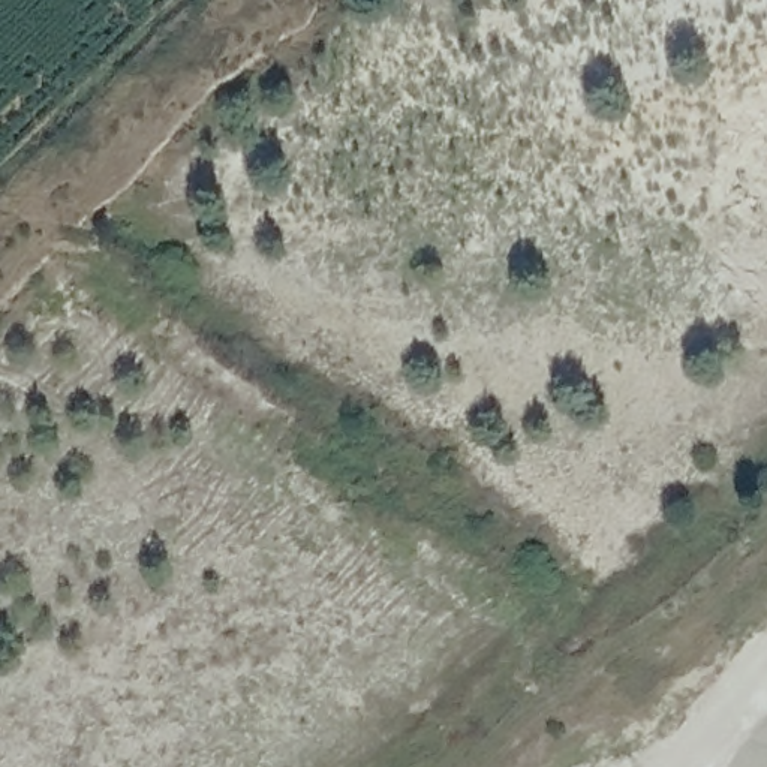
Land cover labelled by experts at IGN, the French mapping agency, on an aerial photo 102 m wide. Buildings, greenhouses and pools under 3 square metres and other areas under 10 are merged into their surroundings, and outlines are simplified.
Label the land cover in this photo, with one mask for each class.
<instances>
[{"label":"pervious surface","instance_id":"1","mask_svg":"<svg viewBox=\"0 0 767 767\"><path fill-rule=\"evenodd\" d=\"M530 27L536 30L545 24H560L566 18V9H572L578 0H524ZM497 33L500 39H512V45L521 54L548 57L551 99H539V114H545V126L557 138H572L581 147L596 150V171H605L608 165H614V159H623L626 171H620V180H632V192L638 201L656 198V204L665 213V222L686 225L698 234L701 246L713 255V276L692 273V282L683 288V294L701 300L704 321H695L686 306L668 303V309L656 306L650 315H644V321H614L605 327V333H587L575 321L578 306L566 297H560L563 315L521 318L518 324L491 336H482L479 324L464 315L458 327L446 333V321L437 318L431 294L428 288H419L401 294V276L363 270L351 276H330V261H321L318 273L312 276L306 258L312 252L327 249L330 243H348L354 237H375V225L369 219H351L342 225L318 222L321 213L348 210L354 204L342 189H333L324 198L315 189H303L306 201L312 204V213H291L279 195H273L270 189H255L252 177L246 171V159L240 150L219 147L213 162L222 189L225 216L234 237V255L213 252L198 234L186 243L189 252L201 261V282L207 294L228 303L231 309L258 315L267 324V336H279L285 342L288 363H306L315 372L327 375V381L345 384L357 395L360 389L378 395L384 404L401 410L413 425H440L449 431L452 443L458 446V461L467 464L473 476L482 482L500 488L509 503L521 506L524 512H536L551 527H557V548H566L572 557L581 560V566L593 569L602 581L614 569L632 563L626 539L632 533L647 530L662 515V488L671 482H728L734 476V464L749 449L752 422L767 416V0H629L626 6L614 9L611 21H602V12H587V39H572L554 48H548L545 42H527L512 9H479V39ZM704 45L710 75L701 84H677L671 78L668 57H689ZM617 75H623L626 81L629 108L623 120H599L587 111L584 90H596ZM737 339L743 342V348L725 360L722 381L716 386H701L683 372V354L698 357L701 351H713L719 342ZM413 342L431 345L437 357H458L461 381H443L437 392H413L401 372V357ZM584 372L593 375L605 392L608 416L599 428L578 425L575 419L560 413L557 401L548 395V375L563 378L572 386L581 381ZM497 407H503V422L509 425L518 452L509 464H500L488 446H479L473 440L470 431L482 413H491ZM698 440L716 446V461L710 470H701L692 461V443ZM318 9H309L300 24L279 33V42H315L312 27ZM431 36L416 39L410 21L401 24L384 18L372 21L369 39L354 36V48L360 51L357 81L369 84V78L381 72L384 81L395 84V105L378 117V126L384 129L398 123L407 108H416L440 111L443 120L470 132V117L461 108H452L449 93L428 87V78L434 60L446 63L449 81L473 78L485 72L473 60L461 54L455 33H440L437 24H428ZM264 63V51L255 48V54L246 57L240 66H231L216 75L210 69L198 72L204 78V87L198 90V99L189 102V108L168 123L165 138L174 141V135L213 99V93L222 84ZM54 288L63 294V315H30L24 327L33 336V345L6 348L0 354V548L18 554L27 563L33 596L51 608L45 638L36 644H24L15 665L0 677V767H297L300 749H327L339 740V722L354 719V707L363 704L366 692L395 698L401 686L416 689L422 665L434 656V650L443 647L449 638H458L452 614L416 608V590L395 587L378 557L357 551L342 536V506L336 503L324 479H315L294 461V449L312 440L315 431L294 422V407L270 401L258 384H249L237 372L225 369L213 354L201 348L198 336L189 333L180 321L168 318L123 333L117 324L99 321L93 315L96 300L87 288H72L66 282V273L57 276ZM120 354H132L144 366L147 378L138 395H129L114 378V360ZM30 389H39L45 395L51 407V422L57 425V443L39 446L30 440ZM75 389L111 398L114 410H120L117 434H111L108 428H72L66 401ZM171 428H189L186 443L174 449L144 452L138 461H129L117 446V440L150 437L153 431ZM69 449H81L93 461L90 479L81 482V497H63L54 482V473ZM159 560L171 563V578L159 593H153L147 578L141 575V566H156ZM578 767H767V629L746 638L743 650L728 662L716 686L704 692L698 701H692L686 722L674 728L668 737H662L656 746L632 752L626 758H608Z\"/></svg>","mask_w":767,"mask_h":767},{"label":"herbaceous vegetation","instance_id":"2","mask_svg":"<svg viewBox=\"0 0 767 767\"><path fill-rule=\"evenodd\" d=\"M309 9H318L312 27L315 42H279V33L300 24ZM351 0H207L204 27L222 30L228 36L225 51L213 57L210 69L216 75L231 66H240L246 57L255 54V48L264 51V63L267 69L276 63L285 66L294 87V108L288 114H273L270 105L255 111V123L264 132L261 144L246 159V171L252 177L258 168H267L285 156L291 174L279 195L291 213H312V204L306 201L303 189H315L324 198L333 189H342L354 204L348 210L321 213L318 222L342 225L351 219H369L375 225V237H354L348 243H330L327 249L312 252L306 258L312 276L318 273L321 261H330V276H351L363 270L401 276L407 264L437 267L443 294H431L437 318L446 321V333L458 327L464 315L479 324L482 336H491L518 324L521 318L563 315L560 297H566L578 306L575 321L587 333H605V327L614 321H644V315H650L656 306L668 309V303L686 306L695 321H704L701 300L683 294V288L692 282V273L713 276V255L701 246L698 234L686 225L665 222V213L656 204V198L638 201L632 192V180H620V171H626L623 159H614V165H608L605 171H596V150L581 147L572 138H557L545 126V114H539V99H551L548 57L521 54L512 45V39H500L497 33L479 39L482 57L473 60L485 72L473 78L449 81L446 63L434 60L428 78V87L449 93L452 108H461L470 117V132L443 120L440 111L416 108H407L398 123L384 129L378 126V117L395 105V84L384 81L381 72L369 78V84L357 81L360 51L354 48V36L369 39L372 21L369 15L348 12ZM530 273H548V291L536 303L518 300L515 288L509 285V276L524 279ZM455 9L449 0H398L384 18L401 24L410 21L416 39L431 36L428 24H437L440 33H455ZM629 0H578L572 9H566V18L560 24H545L536 30L530 27L524 0H518L512 3V9L527 42H545L548 48H554L572 39H587V12H602V21H611L614 9L626 6ZM204 87V78L198 72H186L168 96L153 93V87L144 84L141 75H123L111 87V93L93 105L90 138L99 144V153L75 150L63 156L54 147H48L12 183L0 189V354L6 348L33 345V336L24 327L30 315H63V294L54 288L57 276L66 273V282L72 288H87V264L99 246L93 216L99 210H105L108 219H126L120 231L123 237H135L144 243H186L198 234L186 186L192 192L222 189L213 162L198 159V144L201 129L216 132L225 126L222 102L213 99L174 135V141L165 138L168 123L189 108V102L198 99V90ZM363 410H375L389 446L410 443L419 452L431 455L434 446L452 443L449 431L440 425H413L401 410L384 404L378 395L360 389L357 395ZM758 473H767V416L752 422L749 449L734 464V476L728 482H671L662 488V500L692 503L689 521L671 524L662 515L647 530L632 533L626 539L632 563L614 569L602 581L593 569L581 566V560L572 557L566 548H557V527H551L536 512H524L521 506L509 503L500 488L482 482L476 494L467 497L470 509L494 512L503 521H515L512 533L518 542L545 539L554 548L560 566L572 575V590L581 602L575 626L560 638L548 635L542 623L521 620L524 608L515 599V587L512 566L509 572H488L476 557L452 551L443 542L434 548V533L419 524L398 521L395 515H378L372 527L369 521H357V515L348 506H342V536L357 551L378 557L395 587L416 590V608L452 614L458 638H449L443 647L434 650V656L422 665L416 689L401 686L395 698L366 692L363 704L354 707V719L339 722V740L327 749H300L297 767H578L608 758H626L632 752L656 746L662 737H668L674 728L686 722L692 701H698L704 692L716 686L728 662L743 650L746 638L767 629V488L761 491V512L755 524L746 521V503L740 500V494H752L758 488Z\"/></svg>","mask_w":767,"mask_h":767},{"label":"brushwood","instance_id":"3","mask_svg":"<svg viewBox=\"0 0 767 767\"><path fill-rule=\"evenodd\" d=\"M207 0H177L114 63V69H120L123 75H141L144 84L153 87V93L168 96L186 72H198L210 69L213 57L225 51L228 36L222 30L204 27ZM455 9V33L461 54L473 60L482 57L479 39V9H512V3L518 0H449ZM87 288L96 300L93 315L99 321L117 324L123 333L168 318L180 321L189 333L198 336L201 348L213 354L225 369L237 372L249 384H258L270 401L294 407V422L315 431L312 440L294 449V461L315 479H324L336 503L342 506H348L357 515V521H369L372 527L378 515H395L398 521L419 524L434 533V548L443 542L452 551L476 557L488 572H509L512 566L518 542L512 533L515 521H503L494 512L470 509L467 497L476 494L482 482L473 476L467 464L458 461V446L452 443L434 446L431 455L419 452L410 443L389 446L375 410H363L357 395L345 384L327 381V375L315 372L306 363H288L285 342L279 336H267V324L258 315L231 309L228 303L207 294L201 282V261L189 252L183 258H171L156 279H141L132 276L129 252L99 246L87 264ZM515 599L524 608L521 620L542 623L548 635L560 638L575 626L581 602L572 590V575L560 566L548 575L545 587H515Z\"/></svg>","mask_w":767,"mask_h":767},{"label":"deciduous trees","instance_id":"4","mask_svg":"<svg viewBox=\"0 0 767 767\"><path fill-rule=\"evenodd\" d=\"M398 0H351L348 12L369 15L372 21L384 18ZM671 78L677 84H701L710 75L704 45L689 57H668ZM213 99L222 102L225 126L216 132L201 129L198 144V159L213 162L219 147L240 150L246 159L261 144L264 132L255 123V111L270 105L273 114H288L294 108V87L285 66L276 63L267 69L264 63L222 84L213 93ZM587 111L599 120H623L629 108L626 81L623 75H617L596 90H584ZM291 174L285 156L267 168H258L252 177L255 189H270L273 195H279ZM198 234L213 252L234 255V237L225 216L222 189L192 192L186 186ZM126 219H108L105 210H99L93 216L99 246L129 252L132 276L141 279H156L171 258H183L189 252L186 243H144L135 237H123L120 231ZM419 288H428L431 294H443L437 267L407 264L401 276V294ZM509 285L515 288L518 300L536 303L548 291V273H530L524 279L509 276ZM743 348V342L737 339L719 342L713 351H701L698 357L683 354V372L701 386H716L722 381L725 360ZM401 372L413 392H437L443 381H461L458 357H437L431 345L413 342L401 357ZM114 378L129 395H138L147 378L144 366L132 354H120L114 360ZM548 395L557 401L560 413L575 419L578 425L599 428L608 416L605 392L593 375L584 372L581 381L572 386L563 378L548 375ZM30 440L39 446L57 443V425L51 422V407L45 395L39 389H30ZM72 428H108L111 434H117L120 410H114L111 398L75 389L66 401ZM470 431L473 440L479 446H488L500 464H509L518 452L509 425L503 422V407H497L491 413H482ZM189 428H171L153 431L150 437L117 440V446L129 461H138L144 452L174 449L186 443ZM692 461L701 470H710L716 461V446L698 440L692 443ZM93 461L81 449H69L54 473V482L63 497H81V482L90 479ZM767 488V473H758V488L752 494H740V500L746 503V521L755 524L761 512V491ZM662 515L671 524L689 521L692 503L662 500ZM512 566L515 587H545L548 575L560 566L554 548L545 539L518 542ZM51 608L33 596L27 563L18 554L0 548V677L15 665L24 644H36L45 638ZM141 575L147 578L153 593H159L171 578V563L159 560L156 566H141Z\"/></svg>","mask_w":767,"mask_h":767},{"label":"agricultural land","instance_id":"5","mask_svg":"<svg viewBox=\"0 0 767 767\"><path fill-rule=\"evenodd\" d=\"M177 0H0V189L12 183L48 147H54L63 156L75 150L99 153V144L90 138L93 105L111 93V87L123 75L120 69H114V63Z\"/></svg>","mask_w":767,"mask_h":767}]
</instances>
